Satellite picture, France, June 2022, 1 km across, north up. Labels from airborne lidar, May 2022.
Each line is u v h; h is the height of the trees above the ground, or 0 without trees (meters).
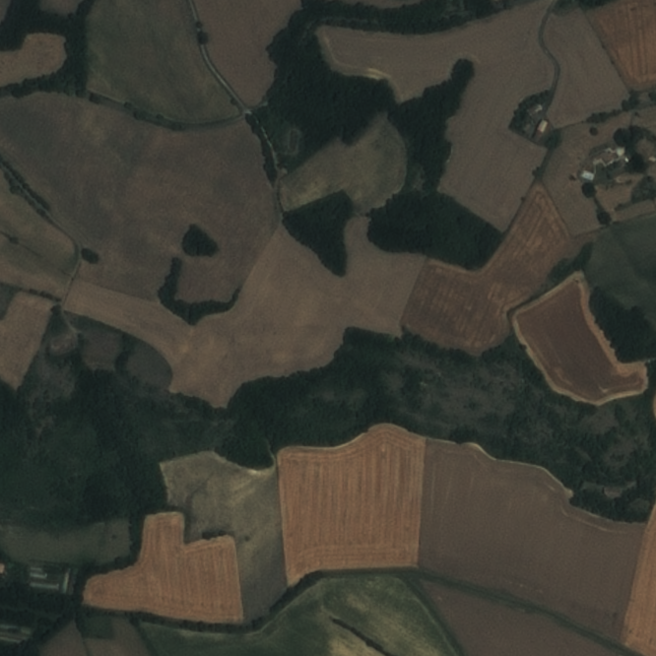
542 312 0
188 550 0
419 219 8
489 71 0
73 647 0
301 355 0
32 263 0
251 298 0
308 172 0
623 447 0
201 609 0
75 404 9
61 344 0
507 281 0
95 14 0
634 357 11
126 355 8
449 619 0
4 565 6
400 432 0
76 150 0
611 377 0
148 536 0
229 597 0
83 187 0
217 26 0
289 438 7
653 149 0
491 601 0
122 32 0
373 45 0
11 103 0
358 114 19
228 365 0
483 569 0
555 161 0
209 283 0
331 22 14
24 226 0
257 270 0
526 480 0
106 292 0
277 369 0
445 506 0
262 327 0
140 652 0
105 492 7
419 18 13
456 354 13
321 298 0
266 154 12
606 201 0
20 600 14
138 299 0
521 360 9
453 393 0
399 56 0
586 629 0
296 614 0
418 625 0
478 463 0
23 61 0
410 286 0
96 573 8
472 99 0
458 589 0
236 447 13
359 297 0
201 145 0
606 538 0
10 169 6
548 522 0
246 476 0
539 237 0
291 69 14
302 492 0
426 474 0
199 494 0
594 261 0
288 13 0
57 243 0
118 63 0
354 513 0
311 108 18
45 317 0
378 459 0
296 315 0
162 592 0
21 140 0
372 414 14
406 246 12
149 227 0
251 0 0
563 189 0
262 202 0
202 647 0
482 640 0
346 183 0
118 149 0
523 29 0
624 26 0
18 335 0
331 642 0
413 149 7
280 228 0
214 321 0
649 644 0
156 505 10
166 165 0
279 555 0
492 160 0
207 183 0
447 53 0
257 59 0
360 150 0
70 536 0
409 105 18
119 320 0
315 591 0
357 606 0
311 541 0
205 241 10
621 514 10
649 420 6
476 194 0
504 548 0
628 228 0
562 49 0
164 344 0
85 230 0
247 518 0
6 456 7
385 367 7
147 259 0
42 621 9
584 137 0
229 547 0
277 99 12
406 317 0
